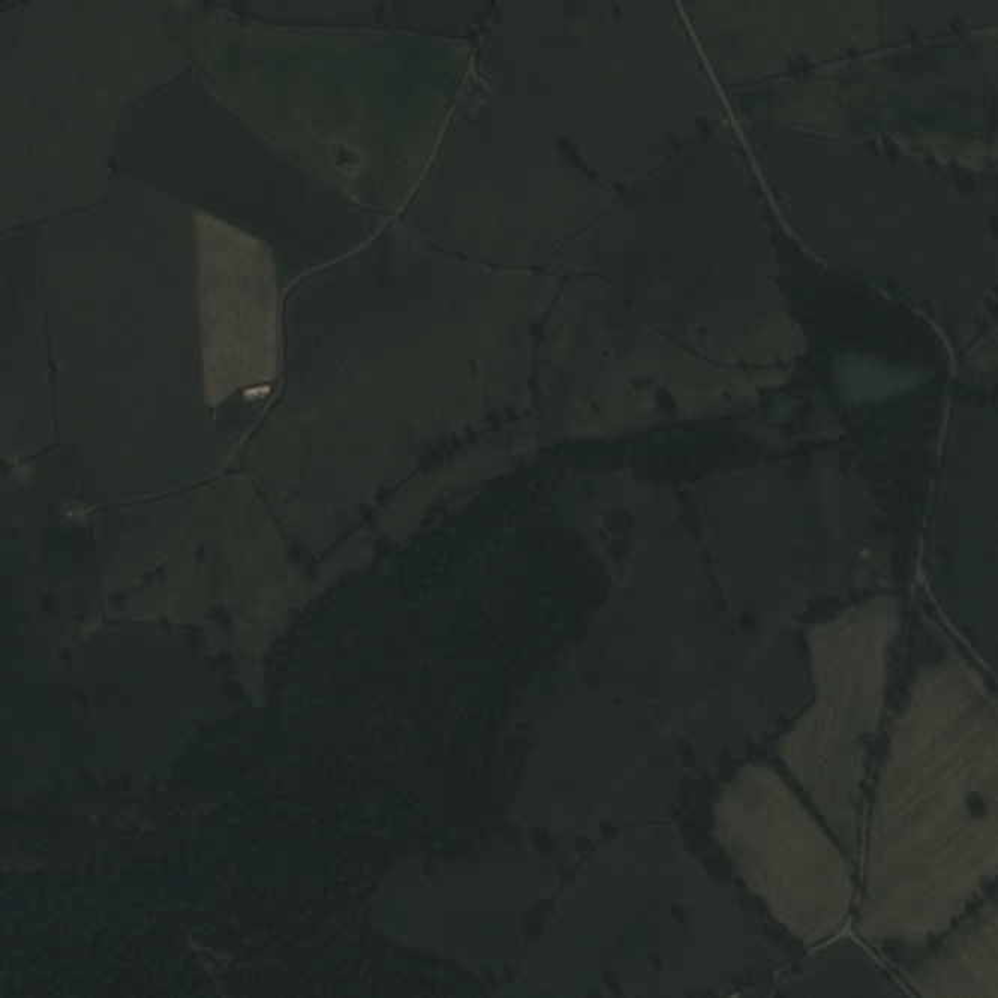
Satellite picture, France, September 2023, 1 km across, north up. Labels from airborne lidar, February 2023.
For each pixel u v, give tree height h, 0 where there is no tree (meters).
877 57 0
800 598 0
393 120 0
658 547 0
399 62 0
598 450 8
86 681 0
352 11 0
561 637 19
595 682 14
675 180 0
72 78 0
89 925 13
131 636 0
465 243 0
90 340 0
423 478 0
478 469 0
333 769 13
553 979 0
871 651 0
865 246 0
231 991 10
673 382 0
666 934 0
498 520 21
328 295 0
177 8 0
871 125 0
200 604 0
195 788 21
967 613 0
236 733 19
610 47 0
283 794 19
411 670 13
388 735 18
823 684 0
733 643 0
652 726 0
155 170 0
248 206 0
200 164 0
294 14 0
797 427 19
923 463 10
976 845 0
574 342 0
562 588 16
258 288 0
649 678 0
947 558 12
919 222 0
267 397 0
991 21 0
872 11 0
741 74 0
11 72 0
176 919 18
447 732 10
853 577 0
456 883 0
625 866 0
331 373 0
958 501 0
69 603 0
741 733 0
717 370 0
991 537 0
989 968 0
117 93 0
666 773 0
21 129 0
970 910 10
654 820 0
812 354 11
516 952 0
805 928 0
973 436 0
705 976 0
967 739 0
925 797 0
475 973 0
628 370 0
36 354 0
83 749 0
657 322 0
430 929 0
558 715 0
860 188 0
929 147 0
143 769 0
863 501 0
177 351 0
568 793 0
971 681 0
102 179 0
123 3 0
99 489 0
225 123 0
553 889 0
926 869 0
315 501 0
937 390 19
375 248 0
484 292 0
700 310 0
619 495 0
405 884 0
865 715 0
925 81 0
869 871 0
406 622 15
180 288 0
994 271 0
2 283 0
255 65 0
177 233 0
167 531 0
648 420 0
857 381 0
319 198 0
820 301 13
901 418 11
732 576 0
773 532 0
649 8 0
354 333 0
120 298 0
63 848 12
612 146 0
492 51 0
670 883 0
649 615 0
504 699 15
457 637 16
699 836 21
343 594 15
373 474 0
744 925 0
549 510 8
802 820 0
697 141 0
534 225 0
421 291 0
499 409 0
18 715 0
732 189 0
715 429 7
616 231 0
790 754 0
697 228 0
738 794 0
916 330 17
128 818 13
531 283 0
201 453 0
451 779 17
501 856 0
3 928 19
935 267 0
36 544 0
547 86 0
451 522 17
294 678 20
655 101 0
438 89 0
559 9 0
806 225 0
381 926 0
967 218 0
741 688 0
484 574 11
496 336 0
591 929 0
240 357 0
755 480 0
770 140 0
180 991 12
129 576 0
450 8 0
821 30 0
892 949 8
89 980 19
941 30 0
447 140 0
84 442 0
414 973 21
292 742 15
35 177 0
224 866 21
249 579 0
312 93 0
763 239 0
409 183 0
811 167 0
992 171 0
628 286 0
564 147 11
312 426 0
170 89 0
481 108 0
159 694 0
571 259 0
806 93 0
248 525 0
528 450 0
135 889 21
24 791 0
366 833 16
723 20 0
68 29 0
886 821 0
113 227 0
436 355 0
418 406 0
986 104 0
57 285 0
